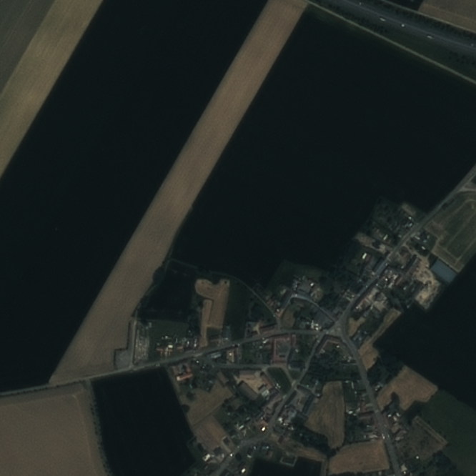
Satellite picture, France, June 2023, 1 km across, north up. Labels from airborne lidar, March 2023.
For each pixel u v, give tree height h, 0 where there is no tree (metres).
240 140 0
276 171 0
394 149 0
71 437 0
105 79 0
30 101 0
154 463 0
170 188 0
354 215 0
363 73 0
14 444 0
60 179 0
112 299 0
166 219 0
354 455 0
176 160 0
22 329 0
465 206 0
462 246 0
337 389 0
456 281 0
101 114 0
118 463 0
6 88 0
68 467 0
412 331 0
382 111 0
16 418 0
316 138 0
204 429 0
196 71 0
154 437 0
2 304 0
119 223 0
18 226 0
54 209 0
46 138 0
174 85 0
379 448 0
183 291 0
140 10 0
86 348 0
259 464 0
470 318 0
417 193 0
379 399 0
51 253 0
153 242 0
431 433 0
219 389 0
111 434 0
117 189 0
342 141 0
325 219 0
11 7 0
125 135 0
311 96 0
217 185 0
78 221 0
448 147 0
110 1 0
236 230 0
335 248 0
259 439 0
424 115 0
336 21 0
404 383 0
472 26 0
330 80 0
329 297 10
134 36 0
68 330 0
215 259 0
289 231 0
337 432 0
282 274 0
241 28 0
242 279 0
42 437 0
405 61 0
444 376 0
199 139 0
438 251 0
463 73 0
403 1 0
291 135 0
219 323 0
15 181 0
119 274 0
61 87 0
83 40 0
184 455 0
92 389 0
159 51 0
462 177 0
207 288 0
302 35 0
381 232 0
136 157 0
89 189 0
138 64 0
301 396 0
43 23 0
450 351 0
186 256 0
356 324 0
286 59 0
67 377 0
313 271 0
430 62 0
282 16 0
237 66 0
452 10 0
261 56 0
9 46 0
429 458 0
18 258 0
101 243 0
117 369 0
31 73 0
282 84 0
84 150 0
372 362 0
